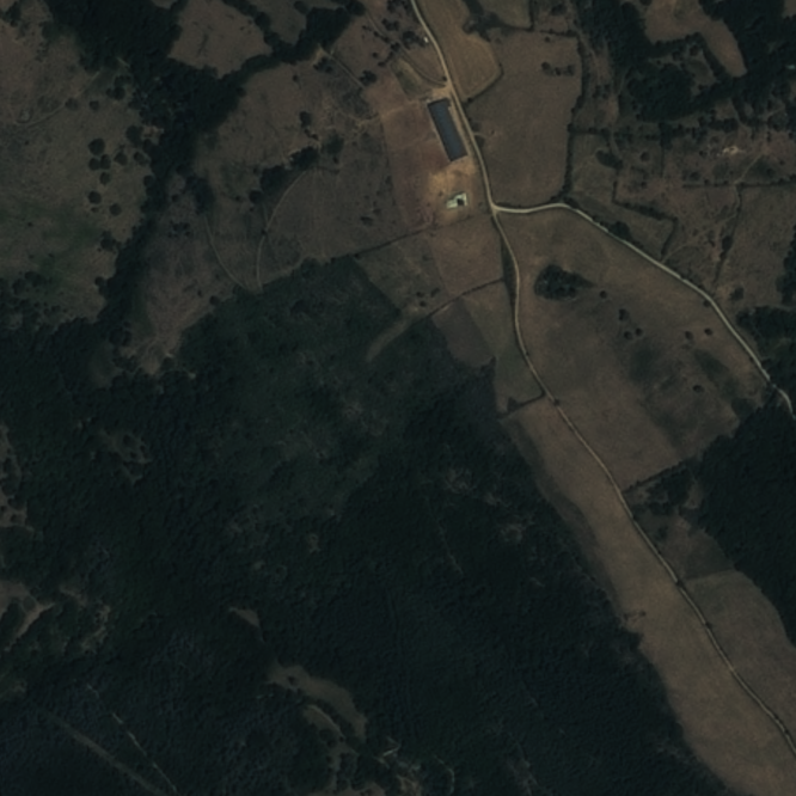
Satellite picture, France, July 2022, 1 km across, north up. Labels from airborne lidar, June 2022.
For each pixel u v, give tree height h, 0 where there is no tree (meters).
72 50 0
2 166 0
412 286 0
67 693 20
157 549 19
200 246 0
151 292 0
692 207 0
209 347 7
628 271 0
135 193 0
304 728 8
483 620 16
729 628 0
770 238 0
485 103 0
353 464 6
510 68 0
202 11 0
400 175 0
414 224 0
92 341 22
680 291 0
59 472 15
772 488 31
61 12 22
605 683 21
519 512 6
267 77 0
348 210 0
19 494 14
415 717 15
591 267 0
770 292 0
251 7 9
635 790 14
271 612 8
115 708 13
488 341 0
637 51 14
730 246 10
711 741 0
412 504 9
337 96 0
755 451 25
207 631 16
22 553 8
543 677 6
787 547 17
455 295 0
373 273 0
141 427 16
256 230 0
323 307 7
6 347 20
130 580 16
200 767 11
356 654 20
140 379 6
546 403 0
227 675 14
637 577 0
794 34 16
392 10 12
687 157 0
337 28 21
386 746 15
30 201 0
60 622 15
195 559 12
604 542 0
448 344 0
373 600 15
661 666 0
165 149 19
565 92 0
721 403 0
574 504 0
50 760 14
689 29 0
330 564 18
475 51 0
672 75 13
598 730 19
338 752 0
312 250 0
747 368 0
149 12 18
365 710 6
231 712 12
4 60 0
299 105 0
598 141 0
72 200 0
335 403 9
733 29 18
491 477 5
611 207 0
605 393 0
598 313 0
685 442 0
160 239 0
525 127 0
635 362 0
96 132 0
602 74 0
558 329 0
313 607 6
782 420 19
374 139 0
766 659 0
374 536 14
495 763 8
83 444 14
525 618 13
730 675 0
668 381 0
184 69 18
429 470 12
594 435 0
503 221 0
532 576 7
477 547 8
